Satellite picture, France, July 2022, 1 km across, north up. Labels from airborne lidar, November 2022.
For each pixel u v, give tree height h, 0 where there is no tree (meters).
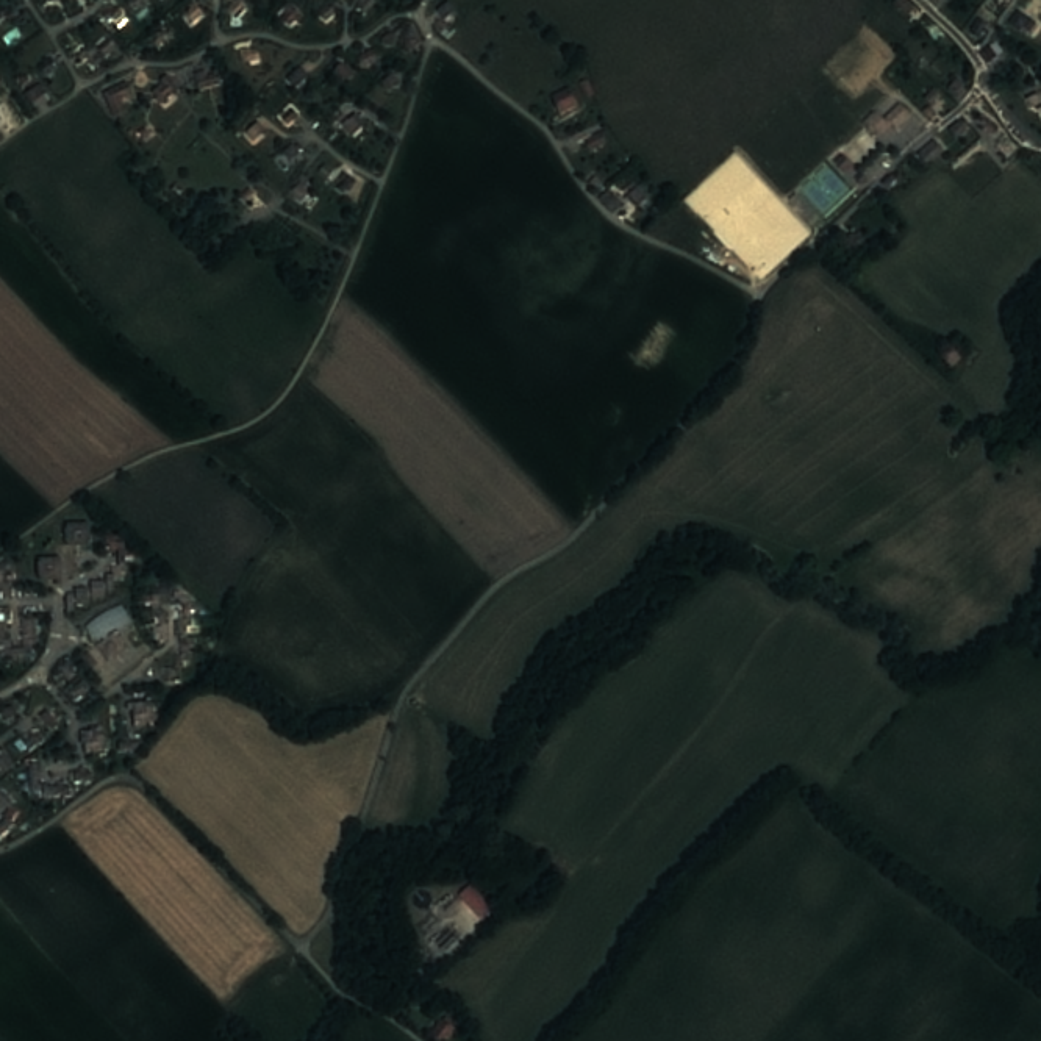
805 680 0
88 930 0
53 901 0
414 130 0
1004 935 6
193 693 16
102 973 0
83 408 0
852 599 18
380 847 23
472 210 0
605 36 0
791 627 0
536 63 0
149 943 0
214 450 0
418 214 0
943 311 0
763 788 18
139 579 8
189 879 0
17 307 0
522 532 0
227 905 0
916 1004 0
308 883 0
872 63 0
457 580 0
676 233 0
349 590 0
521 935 0
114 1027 0
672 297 0
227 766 0
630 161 6
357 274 0
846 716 0
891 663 17
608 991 20
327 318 0
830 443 0
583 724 0
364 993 23
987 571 0
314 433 0
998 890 0
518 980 0
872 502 0
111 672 0
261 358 0
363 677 0
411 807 0
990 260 0
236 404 0
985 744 0
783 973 0
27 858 0
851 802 0
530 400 0
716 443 0
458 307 0
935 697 0
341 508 0
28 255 0
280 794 0
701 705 0
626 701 0
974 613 0
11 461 0
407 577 0
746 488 0
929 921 0
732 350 0
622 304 0
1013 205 0
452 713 0
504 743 17
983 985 0
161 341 0
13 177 0
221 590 0
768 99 0
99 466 0
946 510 0
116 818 0
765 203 0
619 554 0
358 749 0
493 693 0
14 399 0
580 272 0
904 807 0
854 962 0
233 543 0
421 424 0
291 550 0
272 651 0
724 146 0
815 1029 0
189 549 0
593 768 0
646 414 0
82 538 0
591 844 0
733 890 0
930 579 0
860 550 10
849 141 0
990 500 0
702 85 0
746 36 0
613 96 0
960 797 0
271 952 0
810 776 0
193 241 18
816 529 0
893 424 0
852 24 0
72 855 0
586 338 0
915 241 0
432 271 0
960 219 0
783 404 0
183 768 0
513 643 0
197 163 0
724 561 20
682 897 14
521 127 0
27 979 0
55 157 0
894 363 0
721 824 13
